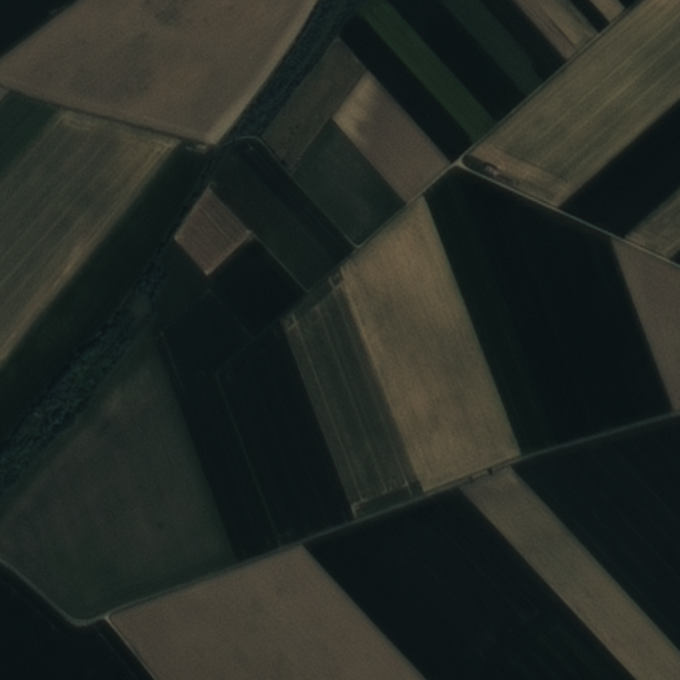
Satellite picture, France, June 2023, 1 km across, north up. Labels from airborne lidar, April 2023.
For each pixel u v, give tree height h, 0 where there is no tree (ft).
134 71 0
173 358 0
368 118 0
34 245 0
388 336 0
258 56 0
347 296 0
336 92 0
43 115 0
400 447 0
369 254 0
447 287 0
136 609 0
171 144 0
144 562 0
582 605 0
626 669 0
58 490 0
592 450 0
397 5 0
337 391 0
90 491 0
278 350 0
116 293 0
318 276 0
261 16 0
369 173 0
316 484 0
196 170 0
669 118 0
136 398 0
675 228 0
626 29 0
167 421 0
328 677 0
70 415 38
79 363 45
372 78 0
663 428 0
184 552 0
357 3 25
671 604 0
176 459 0
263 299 0
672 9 0
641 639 0
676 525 0
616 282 0
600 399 0
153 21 0
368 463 0
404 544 0
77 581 0
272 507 0
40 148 0
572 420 0
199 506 0
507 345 0
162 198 0
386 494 0
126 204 0
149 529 0
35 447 30
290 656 0
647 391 0
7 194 0
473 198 0
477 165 0
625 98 0
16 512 0
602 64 0
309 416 0
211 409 0
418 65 0
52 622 0
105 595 0
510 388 0
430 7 0
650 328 0
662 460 0
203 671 0
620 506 0
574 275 0
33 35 0
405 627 0
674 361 0
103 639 0
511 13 0
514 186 0
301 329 0
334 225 0
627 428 0
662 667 0
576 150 0
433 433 0
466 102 0
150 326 0
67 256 0
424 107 0
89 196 0
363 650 0
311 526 0
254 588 0
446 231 0
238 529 0
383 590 0
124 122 0
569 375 0
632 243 0
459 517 0
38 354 0
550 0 0
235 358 0
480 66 0
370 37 0
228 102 0
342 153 0
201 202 0
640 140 0
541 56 0
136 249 0
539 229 0
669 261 0
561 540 0
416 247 0
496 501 0
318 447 0
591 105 0
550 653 0
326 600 0
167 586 0
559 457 0
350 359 0
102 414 0
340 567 0
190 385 0
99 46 0
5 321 0
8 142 0
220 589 0
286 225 0
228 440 0
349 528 0
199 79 0
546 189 0
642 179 0
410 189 0
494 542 0
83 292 0
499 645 0
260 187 0
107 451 0
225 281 0
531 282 0
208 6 0
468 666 0
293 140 0
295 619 0
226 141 0
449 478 0
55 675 0
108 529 0
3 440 0
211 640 0
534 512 0
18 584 0
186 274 0
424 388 0
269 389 0
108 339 24
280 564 0
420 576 0
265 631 0
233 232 0
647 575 0
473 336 0
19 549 0
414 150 0
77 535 0
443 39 0
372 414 0
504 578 0
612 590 0
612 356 0
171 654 0
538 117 0
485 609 0
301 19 0
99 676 0
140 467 0
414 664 0
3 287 0
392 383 0
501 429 0
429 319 0
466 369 0
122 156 0
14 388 0
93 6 0
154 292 27
